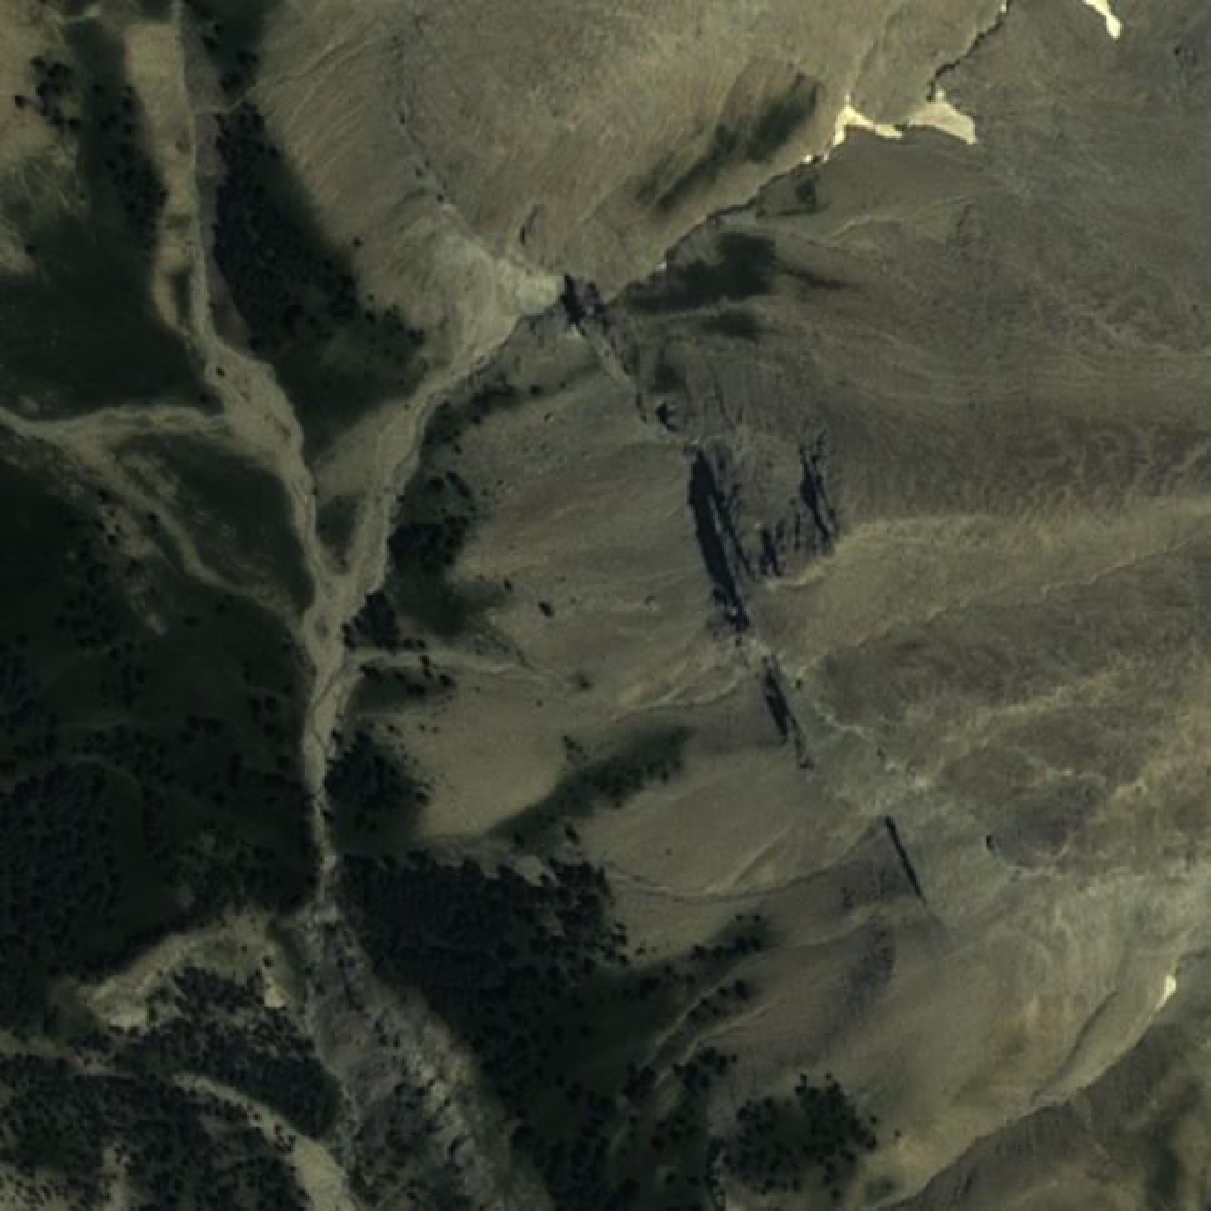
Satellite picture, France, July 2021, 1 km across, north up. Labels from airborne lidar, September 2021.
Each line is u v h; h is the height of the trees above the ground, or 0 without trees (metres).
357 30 0
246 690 0
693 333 0
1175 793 0
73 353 0
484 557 0
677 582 0
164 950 0
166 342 0
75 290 0
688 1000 0
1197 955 0
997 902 0
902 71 0
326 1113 7
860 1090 0
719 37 0
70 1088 13
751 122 0
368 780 16
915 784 0
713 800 0
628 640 0
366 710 0
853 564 0
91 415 0
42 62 13
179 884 6
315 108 0
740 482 0
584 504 0
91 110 0
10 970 14
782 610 0
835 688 0
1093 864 0
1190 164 0
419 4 0
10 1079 9
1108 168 0
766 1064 0
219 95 0
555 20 0
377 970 8
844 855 0
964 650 0
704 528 0
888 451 0
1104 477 0
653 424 0
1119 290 0
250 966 0
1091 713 0
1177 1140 0
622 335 0
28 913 20
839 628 0
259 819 0
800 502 0
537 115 0
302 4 0
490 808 0
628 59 0
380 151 0
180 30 0
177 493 0
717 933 0
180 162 0
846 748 0
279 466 0
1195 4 0
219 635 0
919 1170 0
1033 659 0
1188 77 0
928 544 0
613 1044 0
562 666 0
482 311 0
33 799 19
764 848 0
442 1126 0
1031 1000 0
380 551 0
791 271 0
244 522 0
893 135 0
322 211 0
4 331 0
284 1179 17
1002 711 0
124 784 0
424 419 0
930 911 0
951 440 0
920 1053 0
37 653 0
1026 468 0
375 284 0
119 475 0
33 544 0
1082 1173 0
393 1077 0
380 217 0
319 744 0
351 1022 0
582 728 0
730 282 0
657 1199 0
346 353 0
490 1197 0
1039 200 0
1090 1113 0
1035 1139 0
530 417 0
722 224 0
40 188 0
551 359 0
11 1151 7
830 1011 0
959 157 0
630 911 0
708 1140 0
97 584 17
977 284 0
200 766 0
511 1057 18
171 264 0
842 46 0
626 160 0
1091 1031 0
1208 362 0
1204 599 0
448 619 0
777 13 0
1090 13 0
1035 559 0
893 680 0
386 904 20
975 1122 0
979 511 0
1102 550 0
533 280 0
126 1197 0
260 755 0
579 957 12
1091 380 0
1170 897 0
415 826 0
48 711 17
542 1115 0
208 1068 14
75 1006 0
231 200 17
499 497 0
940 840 0
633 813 0
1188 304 0
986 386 0
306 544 0
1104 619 0
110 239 0
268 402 0
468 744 0
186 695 0
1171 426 0
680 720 0
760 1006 0
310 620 0
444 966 22
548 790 0
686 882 0
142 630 0
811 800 0
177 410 0
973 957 0
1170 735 0
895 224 0
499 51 0
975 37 0
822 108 0
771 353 0
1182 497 0
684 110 0
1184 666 0
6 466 0
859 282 0
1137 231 0
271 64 0
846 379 0
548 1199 0
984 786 0
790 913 0
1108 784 0
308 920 0
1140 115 0
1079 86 0
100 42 0
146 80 0
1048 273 0
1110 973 0
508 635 0
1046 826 0
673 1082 0
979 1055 0
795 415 0
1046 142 0
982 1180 0
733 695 0
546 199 0
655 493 0
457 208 0
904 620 0
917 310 0
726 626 0
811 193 0
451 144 0
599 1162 21
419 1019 0
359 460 0
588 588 0
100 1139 10
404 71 0
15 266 0
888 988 0
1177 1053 0
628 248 0
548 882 14
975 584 0
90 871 17
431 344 0
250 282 17
